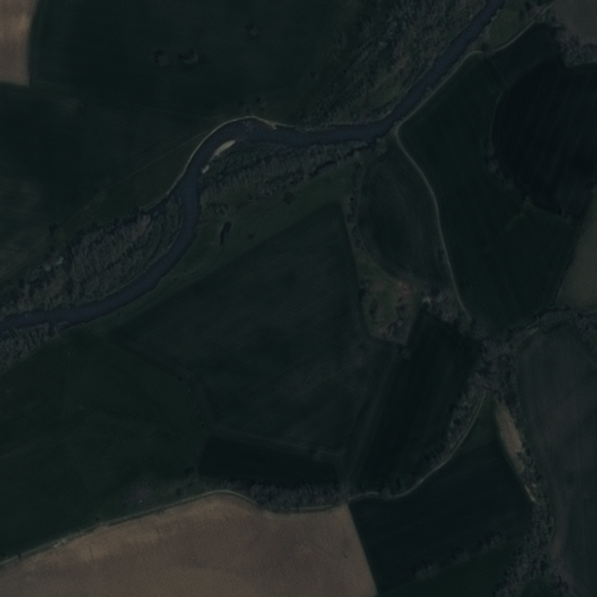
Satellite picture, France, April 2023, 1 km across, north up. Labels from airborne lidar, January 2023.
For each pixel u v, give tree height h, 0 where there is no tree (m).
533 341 0
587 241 0
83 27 0
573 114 0
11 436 0
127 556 0
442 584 0
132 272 6
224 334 0
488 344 21
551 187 0
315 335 0
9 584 0
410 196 0
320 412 0
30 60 0
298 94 0
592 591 0
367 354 0
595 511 0
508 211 0
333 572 0
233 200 0
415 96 0
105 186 0
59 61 0
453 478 0
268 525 0
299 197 0
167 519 0
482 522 0
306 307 0
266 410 0
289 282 0
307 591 0
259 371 0
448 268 0
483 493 0
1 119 0
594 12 0
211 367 0
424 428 0
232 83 0
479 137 0
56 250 10
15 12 0
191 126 0
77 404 0
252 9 0
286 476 0
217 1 0
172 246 0
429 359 0
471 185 0
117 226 13
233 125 0
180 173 0
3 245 0
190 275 0
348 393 0
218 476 0
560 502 0
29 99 0
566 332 0
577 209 0
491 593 0
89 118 0
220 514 0
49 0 0
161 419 0
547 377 0
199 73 0
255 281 0
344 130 0
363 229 0
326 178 0
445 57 0
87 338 0
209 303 0
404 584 0
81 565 0
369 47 7
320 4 0
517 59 0
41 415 0
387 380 0
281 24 0
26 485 0
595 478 0
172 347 0
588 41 0
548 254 0
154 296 0
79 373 0
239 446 0
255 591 0
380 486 0
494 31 0
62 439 0
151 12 0
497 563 0
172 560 0
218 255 0
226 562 0
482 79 0
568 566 0
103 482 0
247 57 0
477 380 19
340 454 0
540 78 0
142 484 0
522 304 0
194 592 0
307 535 0
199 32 0
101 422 0
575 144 0
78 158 0
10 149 0
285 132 0
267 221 0
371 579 0
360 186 15
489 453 0
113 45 0
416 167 0
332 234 0
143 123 0
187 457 0
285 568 0
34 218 0
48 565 0
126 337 0
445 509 0
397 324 7
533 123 0
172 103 0
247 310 0
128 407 0
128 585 0
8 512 0
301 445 0
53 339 0
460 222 0
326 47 0
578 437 0
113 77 0
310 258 0
